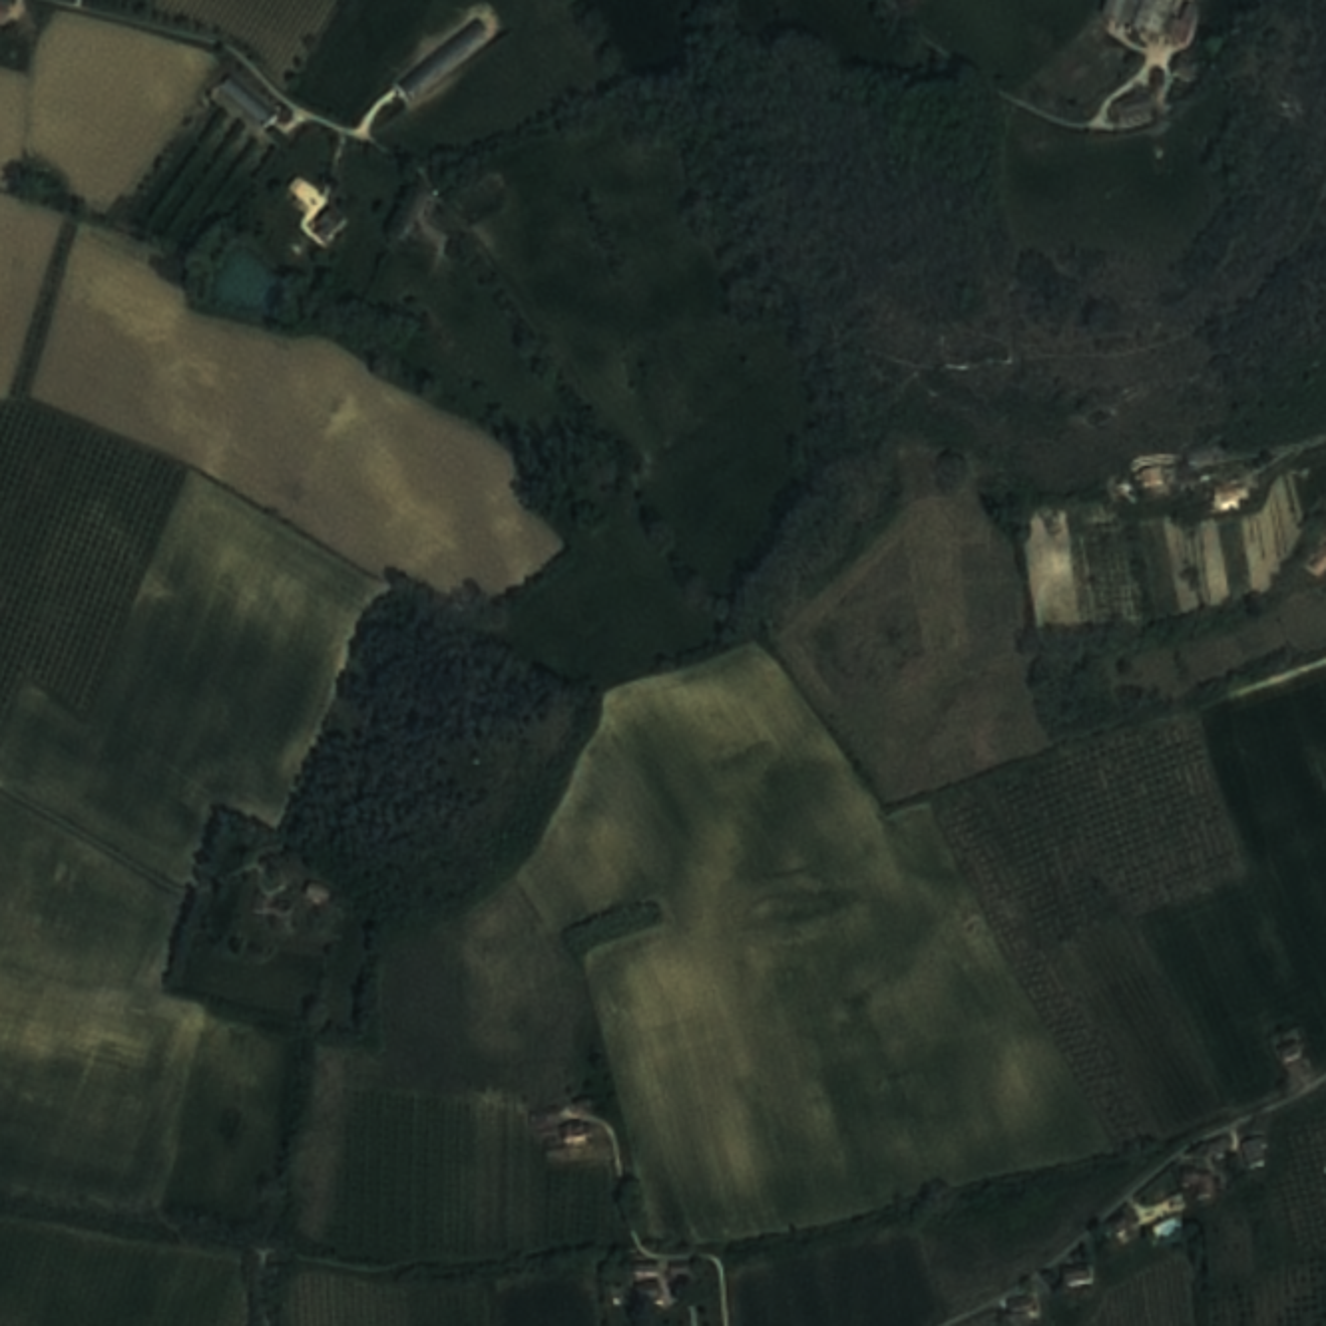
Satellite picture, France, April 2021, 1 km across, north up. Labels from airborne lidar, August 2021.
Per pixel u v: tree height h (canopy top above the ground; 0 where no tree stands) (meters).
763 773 0
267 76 0
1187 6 0
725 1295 0
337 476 0
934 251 12
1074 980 0
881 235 16
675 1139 0
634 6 0
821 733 0
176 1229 11
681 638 0
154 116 0
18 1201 7
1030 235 0
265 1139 0
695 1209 0
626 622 0
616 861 0
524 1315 0
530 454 31
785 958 0
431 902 13
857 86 22
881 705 0
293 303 16
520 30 0
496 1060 0
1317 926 0
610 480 12
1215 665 0
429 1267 7
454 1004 0
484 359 0
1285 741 0
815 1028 0
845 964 0
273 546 0
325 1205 0
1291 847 0
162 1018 0
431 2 0
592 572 0
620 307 0
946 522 0
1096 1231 12
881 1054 0
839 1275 0
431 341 0
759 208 17
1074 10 0
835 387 17
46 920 0
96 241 0
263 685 0
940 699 0
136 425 0
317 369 0
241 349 0
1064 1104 0
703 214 17
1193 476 19
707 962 0
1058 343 0
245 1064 0
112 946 0
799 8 0
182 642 0
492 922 0
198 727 0
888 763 0
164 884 0
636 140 15
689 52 17
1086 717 7
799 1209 0
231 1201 0
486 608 19
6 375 0
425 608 19
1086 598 0
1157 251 0
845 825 0
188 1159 0
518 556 0
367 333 21
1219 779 0
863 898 0
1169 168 0
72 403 0
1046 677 13
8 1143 0
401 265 0
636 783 0
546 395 0
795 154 8
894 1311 0
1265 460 10
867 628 0
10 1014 0
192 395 0
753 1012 0
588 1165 0
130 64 0
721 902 0
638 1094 0
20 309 0
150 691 0
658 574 0
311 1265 0
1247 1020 0
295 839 16
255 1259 19
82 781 0
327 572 0
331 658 0
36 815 0
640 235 0
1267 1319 0
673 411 0
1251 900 0
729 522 0
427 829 14
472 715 9
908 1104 0
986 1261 0
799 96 19
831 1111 0
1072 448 0
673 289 0
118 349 0
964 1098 0
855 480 19
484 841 7
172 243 5
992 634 0
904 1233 0
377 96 0
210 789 0
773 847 0
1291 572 14
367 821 10
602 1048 9
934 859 0
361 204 7
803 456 15
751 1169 0
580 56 0
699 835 0
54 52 0
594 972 0
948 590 0
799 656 0
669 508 0
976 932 0
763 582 16
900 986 0
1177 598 0
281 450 0
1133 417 0
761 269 20
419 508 0
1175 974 0
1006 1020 0
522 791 13
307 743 0
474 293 0
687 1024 0
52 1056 0
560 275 0
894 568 0
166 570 0
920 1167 0
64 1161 0
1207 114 0
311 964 0
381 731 12
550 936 0
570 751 13
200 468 0
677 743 0
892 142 25
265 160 8
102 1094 0
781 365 0
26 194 27
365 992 14
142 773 0
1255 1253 0
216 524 0
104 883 0
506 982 0
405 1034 0
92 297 0
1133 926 0
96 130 0
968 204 15
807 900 0
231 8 0
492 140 6
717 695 0
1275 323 11
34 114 0
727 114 18
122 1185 0
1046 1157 0
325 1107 0
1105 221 0
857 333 10
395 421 0
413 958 0
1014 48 0
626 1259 10
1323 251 6
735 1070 0
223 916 0
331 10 0
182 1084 0
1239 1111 0
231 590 0
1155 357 0
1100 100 0
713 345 0
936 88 19
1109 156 0
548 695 8
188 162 7
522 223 0
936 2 0
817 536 19
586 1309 0
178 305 0
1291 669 15
